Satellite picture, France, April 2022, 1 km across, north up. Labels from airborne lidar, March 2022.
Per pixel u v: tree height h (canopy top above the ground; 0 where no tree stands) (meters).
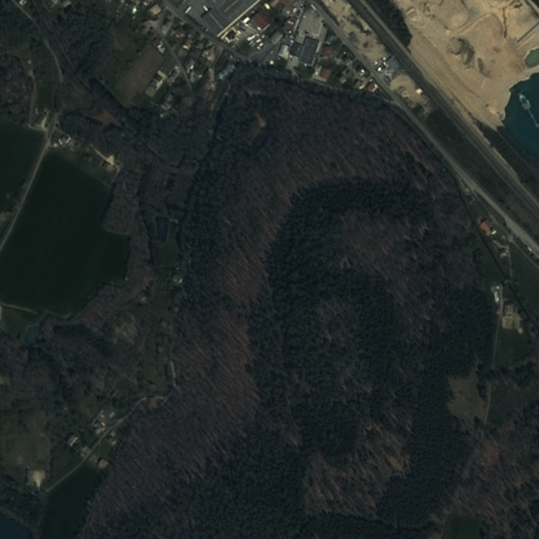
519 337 0
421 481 29
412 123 22
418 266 35
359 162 34
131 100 0
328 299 24
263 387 19
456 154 0
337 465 27
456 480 26
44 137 0
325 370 22
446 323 25
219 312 26
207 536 29
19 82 25
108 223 16
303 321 22
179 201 7
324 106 30
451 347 28
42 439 0
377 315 27
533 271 0
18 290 0
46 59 19
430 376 28
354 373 20
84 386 16
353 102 17
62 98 26
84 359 22
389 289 32
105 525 23
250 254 23
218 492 29
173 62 0
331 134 31
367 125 26
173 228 0
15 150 0
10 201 0
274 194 28
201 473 27
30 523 23
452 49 0
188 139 24
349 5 0
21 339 0
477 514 30
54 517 0
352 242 27
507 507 33
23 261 0
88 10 14
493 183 0
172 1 0
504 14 0
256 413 24
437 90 0
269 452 32
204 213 29
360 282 22
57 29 20
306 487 28
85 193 0
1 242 0
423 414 28
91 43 23
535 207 0
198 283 30
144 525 30
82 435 10
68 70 20
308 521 24
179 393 24
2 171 0
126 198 23
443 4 0
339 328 21
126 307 18
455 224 32
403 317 25
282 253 25
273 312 13
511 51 0
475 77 0
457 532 0
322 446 26
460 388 0
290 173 28
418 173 33
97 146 23
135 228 21
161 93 0
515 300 0
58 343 24
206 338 28
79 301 0
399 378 28
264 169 26
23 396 23
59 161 0
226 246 25
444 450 29
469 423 0
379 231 31
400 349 31
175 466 24
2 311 0
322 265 8
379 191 31
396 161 32
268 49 0
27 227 0
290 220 25
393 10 6
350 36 0
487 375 24
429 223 27
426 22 0
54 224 0
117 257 0
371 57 0
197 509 25
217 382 26
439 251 27
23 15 8
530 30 0
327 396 22
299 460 23
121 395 0
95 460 0
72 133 23
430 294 23
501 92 0
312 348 9
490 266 0
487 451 35
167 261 0
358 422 27
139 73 0
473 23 0
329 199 22
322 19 0
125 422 0
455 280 32
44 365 22
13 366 20
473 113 0
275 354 23
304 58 0
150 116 7
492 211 0
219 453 30
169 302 0
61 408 22
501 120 0
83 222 0
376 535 28
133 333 0
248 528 29
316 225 26
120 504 24
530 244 0
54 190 0
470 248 30
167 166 26
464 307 28
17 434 0
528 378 19
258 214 29
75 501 0
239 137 23
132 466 27
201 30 0
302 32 0
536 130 0
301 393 28
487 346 29
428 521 29
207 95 0
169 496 24
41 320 16
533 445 24
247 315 19
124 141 24
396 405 23
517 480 34
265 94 28
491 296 0
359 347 28
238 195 26
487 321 27
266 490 35
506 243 0
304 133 33
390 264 27
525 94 0
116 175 0
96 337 19
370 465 31
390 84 0
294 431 32
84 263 0
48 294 0
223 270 27
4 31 14
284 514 29
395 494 28
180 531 23
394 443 26
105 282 0
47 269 0
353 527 24
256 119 21
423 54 0
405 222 26
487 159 0
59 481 0
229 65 0
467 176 0
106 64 17
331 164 30
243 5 0
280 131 24
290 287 20
